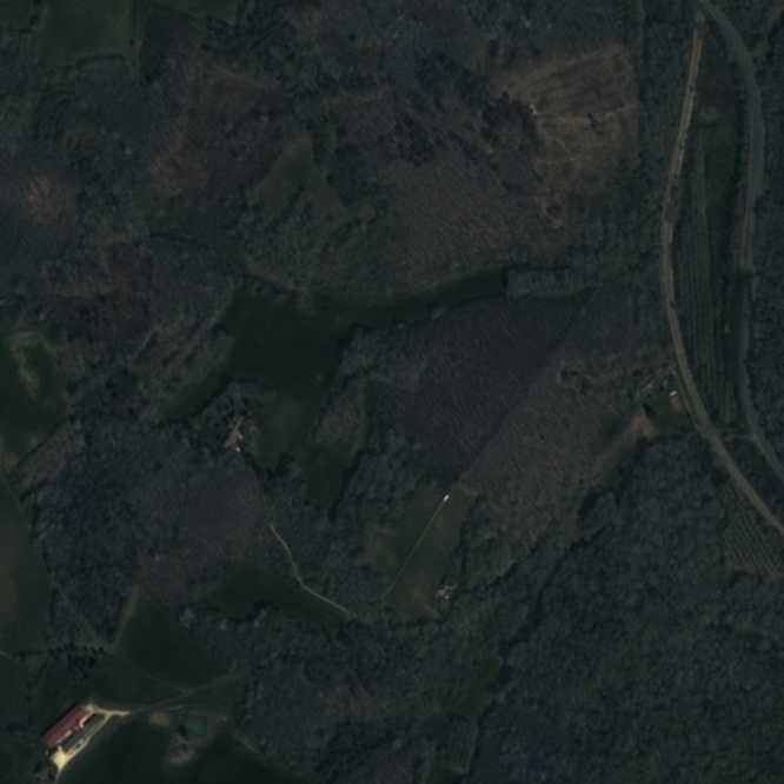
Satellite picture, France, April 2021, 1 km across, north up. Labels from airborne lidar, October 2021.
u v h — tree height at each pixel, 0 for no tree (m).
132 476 24
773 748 25
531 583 21
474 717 0
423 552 0
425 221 20
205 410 14
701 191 23
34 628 0
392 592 0
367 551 15
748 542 29
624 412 21
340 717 14
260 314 0
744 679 17
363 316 0
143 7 0
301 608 0
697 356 30
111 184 22
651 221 15
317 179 0
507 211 20
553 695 23
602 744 26
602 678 28
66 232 12
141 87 13
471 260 21
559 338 15
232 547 17
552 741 14
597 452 18
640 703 32
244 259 13
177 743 0
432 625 20
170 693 0
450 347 7
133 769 0
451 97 18
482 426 11
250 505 17
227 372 0
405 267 17
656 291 23
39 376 0
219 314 17
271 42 29
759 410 15
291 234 22
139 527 28
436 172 17
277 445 0
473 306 10
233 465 18
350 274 12
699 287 25
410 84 21
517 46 19
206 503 21
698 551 22
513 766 20
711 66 7
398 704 25
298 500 14
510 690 25
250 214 20
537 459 19
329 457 0
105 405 20
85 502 32
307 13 20
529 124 28
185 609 7
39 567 0
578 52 18
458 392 11
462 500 0
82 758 0
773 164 10
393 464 26
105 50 0
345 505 12
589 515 20
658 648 20
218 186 13
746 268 0
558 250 15
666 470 18
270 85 17
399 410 12
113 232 18
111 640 25
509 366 12
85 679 9
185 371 20
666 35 25
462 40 18
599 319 19
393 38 23
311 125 15
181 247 15
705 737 20
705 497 30
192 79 19
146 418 23
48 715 0
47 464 16
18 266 23
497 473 18
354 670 27
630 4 26
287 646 17
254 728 17
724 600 24
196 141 6
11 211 12
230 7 0
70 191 12
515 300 12
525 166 19
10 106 29
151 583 12
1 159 18
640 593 18
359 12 19
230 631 9
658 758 27
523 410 16
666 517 17
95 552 25
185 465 26
